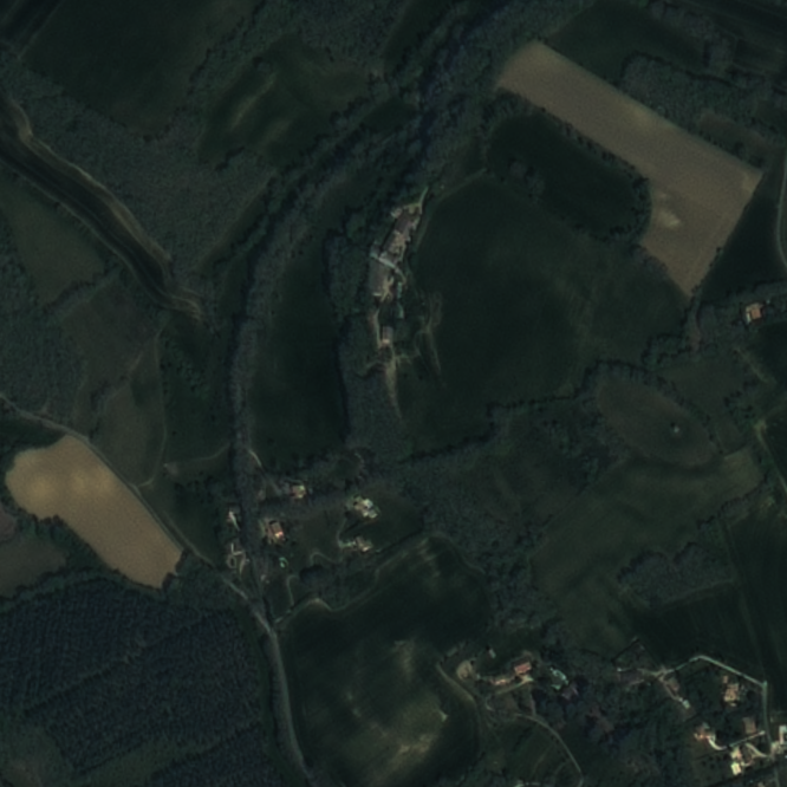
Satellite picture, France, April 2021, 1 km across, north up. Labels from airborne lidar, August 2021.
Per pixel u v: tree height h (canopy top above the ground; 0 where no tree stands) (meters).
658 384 16
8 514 16
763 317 7
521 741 7
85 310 0
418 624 0
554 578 0
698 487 0
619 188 0
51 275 0
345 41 22
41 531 30
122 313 0
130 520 0
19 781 0
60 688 14
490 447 19
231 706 20
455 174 0
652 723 14
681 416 0
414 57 21
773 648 0
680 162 0
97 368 0
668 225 0
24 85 20
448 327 0
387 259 0
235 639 15
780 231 0
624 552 0
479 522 23
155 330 0
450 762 0
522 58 0
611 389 0
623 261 0
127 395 0
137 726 19
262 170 19
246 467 23
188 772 15
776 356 0
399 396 0
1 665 13
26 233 0
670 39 0
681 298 0
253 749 15
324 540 0
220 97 0
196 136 22
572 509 0
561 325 0
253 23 6
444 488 20
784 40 0
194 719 18
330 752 0
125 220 0
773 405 0
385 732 0
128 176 16
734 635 0
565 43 0
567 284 0
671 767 26
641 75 17
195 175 17
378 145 11
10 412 14
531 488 0
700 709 14
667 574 22
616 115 0
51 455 0
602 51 0
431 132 22
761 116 0
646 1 22
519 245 0
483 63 17
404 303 8
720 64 23
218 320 13
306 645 0
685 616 0
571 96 0
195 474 0
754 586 0
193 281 21
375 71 18
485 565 11
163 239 16
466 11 11
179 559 0
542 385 0
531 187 11
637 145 0
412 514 0
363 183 0
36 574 0
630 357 0
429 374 0
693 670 6
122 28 0
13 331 22
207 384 10
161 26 0
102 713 13
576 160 0
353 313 23
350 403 26
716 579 16
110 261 10
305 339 0
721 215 0
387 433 24
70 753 13
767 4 0
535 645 0
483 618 0
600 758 0
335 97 0
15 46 0
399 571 0
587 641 0
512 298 0
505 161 0
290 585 0
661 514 0
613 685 8
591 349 0
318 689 0
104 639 14
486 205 0
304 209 14
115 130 22
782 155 0
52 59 0
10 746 18
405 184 9
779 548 0
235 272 0
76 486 0
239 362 22
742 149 13
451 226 0
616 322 0
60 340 25
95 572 14
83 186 0
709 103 20
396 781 0
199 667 14
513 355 0
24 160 0
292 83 0
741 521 0
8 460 15
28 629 20
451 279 0
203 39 0
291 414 0
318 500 17
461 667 0
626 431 0
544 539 16
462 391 0
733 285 0
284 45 0
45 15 0
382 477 17
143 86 0
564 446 6
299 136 0
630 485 0
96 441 18
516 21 20
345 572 14
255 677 17
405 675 0
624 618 0
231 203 17
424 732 0
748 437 13
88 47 0
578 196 0
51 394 15
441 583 0
